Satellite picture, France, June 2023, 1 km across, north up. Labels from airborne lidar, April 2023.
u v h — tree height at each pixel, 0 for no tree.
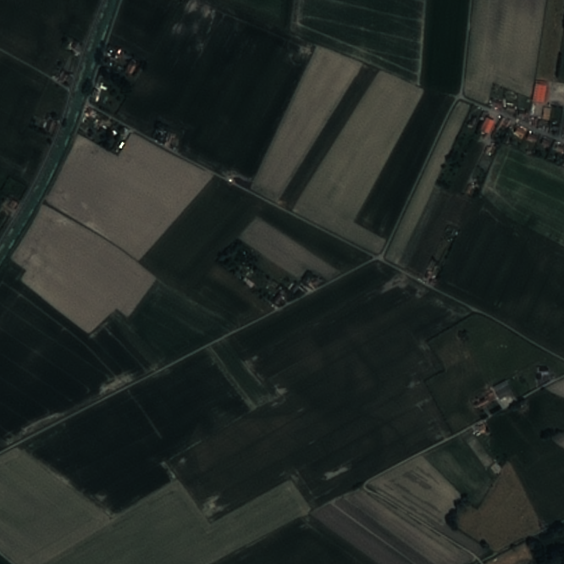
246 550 0
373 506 0
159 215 0
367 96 0
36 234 0
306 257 0
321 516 0
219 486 0
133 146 0
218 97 0
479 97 0
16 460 0
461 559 0
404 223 0
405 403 0
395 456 0
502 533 0
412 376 0
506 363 0
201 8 0
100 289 0
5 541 0
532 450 0
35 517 0
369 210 0
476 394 0
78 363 0
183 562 0
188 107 0
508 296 0
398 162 0
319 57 0
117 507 0
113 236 0
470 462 0
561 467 0
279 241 0
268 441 0
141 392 0
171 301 0
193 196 0
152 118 0
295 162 0
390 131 0
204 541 0
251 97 0
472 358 0
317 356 0
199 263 0
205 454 0
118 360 0
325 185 0
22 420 0
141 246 0
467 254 0
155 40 0
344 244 0
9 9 0
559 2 0
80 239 0
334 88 0
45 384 0
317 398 0
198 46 0
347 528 0
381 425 0
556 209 0
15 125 0
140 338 0
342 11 0
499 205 0
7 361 0
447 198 0
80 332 0
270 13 0
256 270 9
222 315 0
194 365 0
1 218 0
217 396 0
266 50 0
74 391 0
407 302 0
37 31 0
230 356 0
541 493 0
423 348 0
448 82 0
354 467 0
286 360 0
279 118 0
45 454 0
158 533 0
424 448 0
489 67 0
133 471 0
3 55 0
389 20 0
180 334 0
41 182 0
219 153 0
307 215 0
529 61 0
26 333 0
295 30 0
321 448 0
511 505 0
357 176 0
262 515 0
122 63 0
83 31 0
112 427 0
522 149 0
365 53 0
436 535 0
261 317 0
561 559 21
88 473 0
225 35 0
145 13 0
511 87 0
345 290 0
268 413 0
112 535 0
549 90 0
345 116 0
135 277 0
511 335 0
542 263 0
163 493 0
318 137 0
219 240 0
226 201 0
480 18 0
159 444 0
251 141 0
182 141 0
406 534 0
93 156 0
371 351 0
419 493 0
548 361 0
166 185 0
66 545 0
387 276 0
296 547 0
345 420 0
